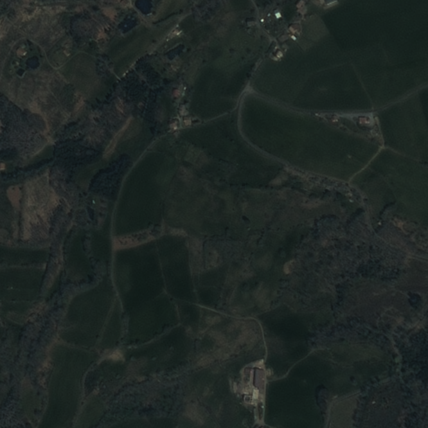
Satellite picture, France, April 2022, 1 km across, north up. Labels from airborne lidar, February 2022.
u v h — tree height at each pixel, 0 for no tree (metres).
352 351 0
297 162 0
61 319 26
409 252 20
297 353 0
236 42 0
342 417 0
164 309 0
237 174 0
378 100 0
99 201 0
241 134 0
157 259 0
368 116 0
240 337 0
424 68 0
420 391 17
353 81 0
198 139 0
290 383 0
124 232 0
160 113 25
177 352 0
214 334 0
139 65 16
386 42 0
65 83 0
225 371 0
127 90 22
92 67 0
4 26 0
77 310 0
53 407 0
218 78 0
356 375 0
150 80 23
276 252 0
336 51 0
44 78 0
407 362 13
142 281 0
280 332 0
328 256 24
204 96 0
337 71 0
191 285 0
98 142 27
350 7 0
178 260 0
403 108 0
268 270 0
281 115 0
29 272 0
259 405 0
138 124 0
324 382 0
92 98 0
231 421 0
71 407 0
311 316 0
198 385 0
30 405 0
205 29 0
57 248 26
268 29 0
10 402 18
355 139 0
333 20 0
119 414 19
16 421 18
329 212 0
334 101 0
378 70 0
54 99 0
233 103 0
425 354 18
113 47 0
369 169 0
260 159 0
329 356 0
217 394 0
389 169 0
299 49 0
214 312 0
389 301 0
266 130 0
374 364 0
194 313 0
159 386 19
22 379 23
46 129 28
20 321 0
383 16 0
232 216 0
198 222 0
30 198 0
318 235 28
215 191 0
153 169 0
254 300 0
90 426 0
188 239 0
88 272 0
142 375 0
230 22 0
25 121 19
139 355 0
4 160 22
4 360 10
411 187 0
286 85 0
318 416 0
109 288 0
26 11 0
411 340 10
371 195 0
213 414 0
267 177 0
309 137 0
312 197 14
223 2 23
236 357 11
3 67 0
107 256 0
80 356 0
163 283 0
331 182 10
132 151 0
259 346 0
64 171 31
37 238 27
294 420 0
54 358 0
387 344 27
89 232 15
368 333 29
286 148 0
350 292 19
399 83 0
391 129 0
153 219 0
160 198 0
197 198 0
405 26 0
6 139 14
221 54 0
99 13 25
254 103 0
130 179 0
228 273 0
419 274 0
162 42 0
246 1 0
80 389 0
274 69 0
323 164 0
